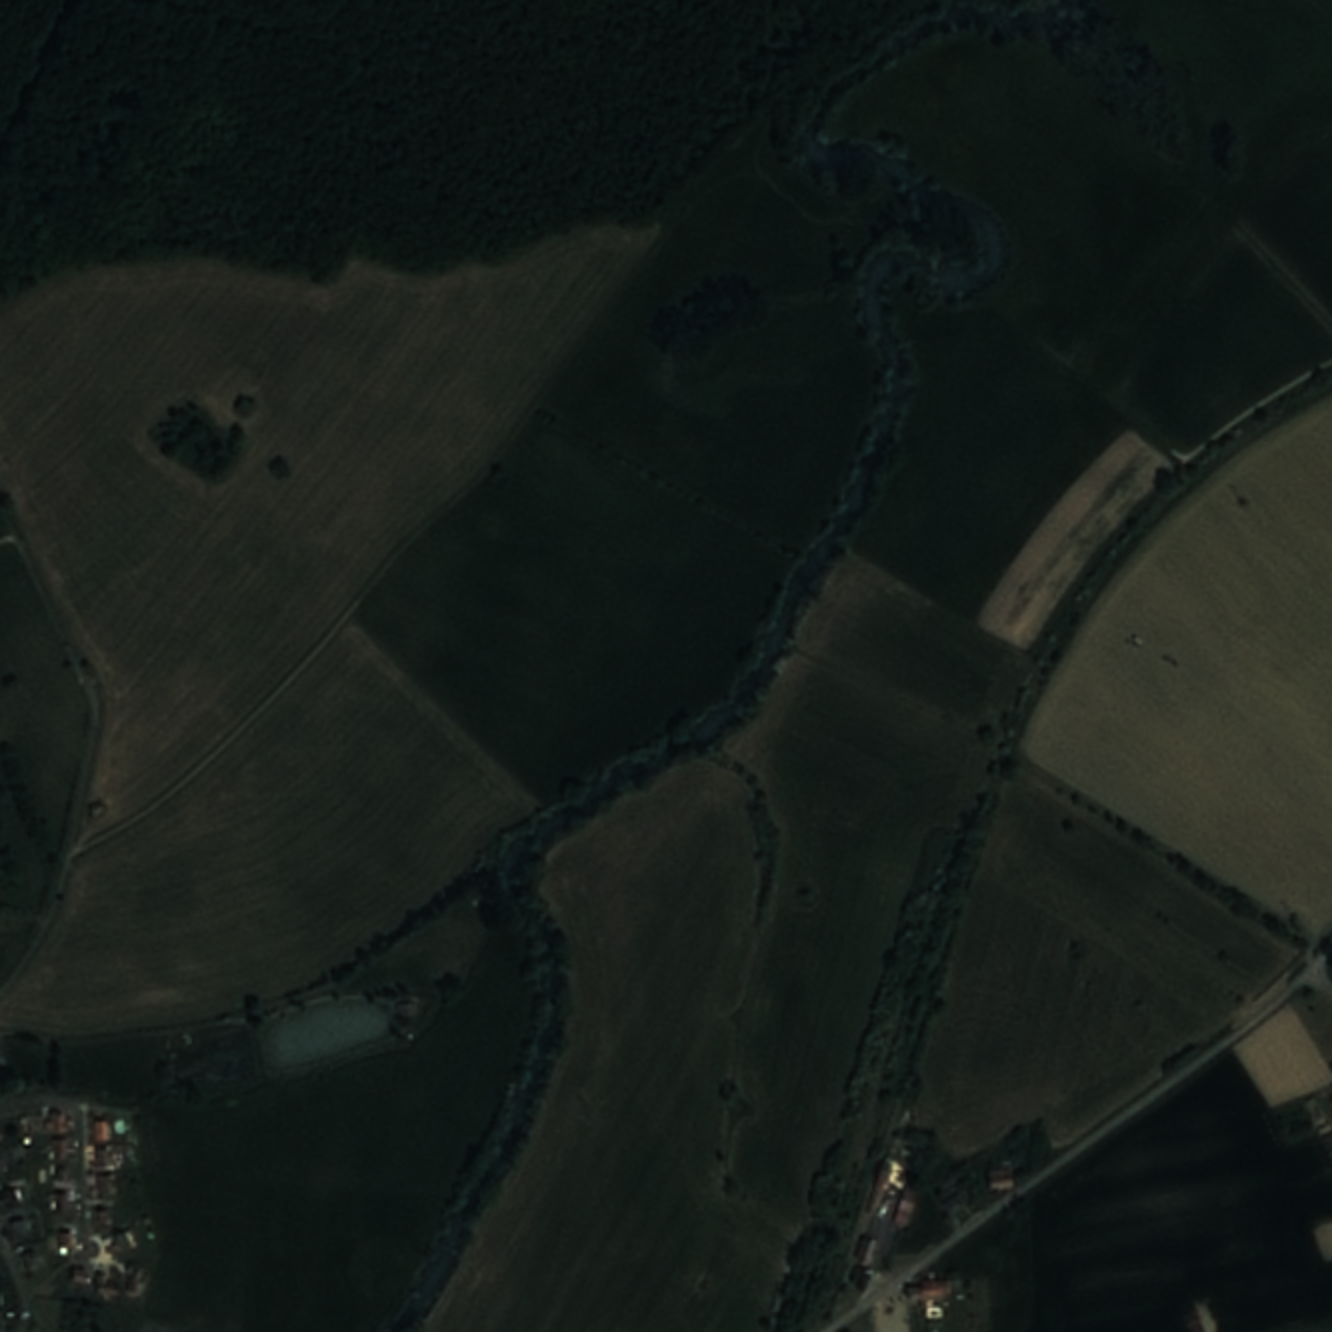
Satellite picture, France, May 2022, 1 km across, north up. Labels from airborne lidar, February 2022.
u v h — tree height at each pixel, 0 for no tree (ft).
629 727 0
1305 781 0
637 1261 0
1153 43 0
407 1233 0
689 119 66
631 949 0
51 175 77
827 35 59
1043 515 0
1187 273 0
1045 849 0
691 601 0
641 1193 0
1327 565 0
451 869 0
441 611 0
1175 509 0
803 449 0
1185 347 0
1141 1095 0
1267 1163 0
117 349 0
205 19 95
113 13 90
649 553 0
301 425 0
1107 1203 0
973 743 0
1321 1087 0
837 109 40
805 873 0
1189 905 0
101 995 0
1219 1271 0
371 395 0
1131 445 0
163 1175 0
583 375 0
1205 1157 0
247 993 0
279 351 0
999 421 0
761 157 0
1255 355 0
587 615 0
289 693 0
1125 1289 0
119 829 0
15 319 0
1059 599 0
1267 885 0
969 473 0
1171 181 0
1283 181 0
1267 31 0
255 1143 0
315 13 90
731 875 0
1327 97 0
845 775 0
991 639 0
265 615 0
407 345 0
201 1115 0
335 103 68
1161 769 0
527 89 68
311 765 0
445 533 0
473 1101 0
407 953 0
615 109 62
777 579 0
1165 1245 0
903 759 0
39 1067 0
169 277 0
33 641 0
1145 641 0
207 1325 0
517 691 0
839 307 0
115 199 73
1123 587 0
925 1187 40
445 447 0
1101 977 0
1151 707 0
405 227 62
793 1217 0
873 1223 0
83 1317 20
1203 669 0
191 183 65
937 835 0
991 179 0
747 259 0
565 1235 0
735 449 0
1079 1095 0
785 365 0
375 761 0
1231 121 0
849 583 0
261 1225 0
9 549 0
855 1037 0
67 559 0
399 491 0
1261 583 0
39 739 0
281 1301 0
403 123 67
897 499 0
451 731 0
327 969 0
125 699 0
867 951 0
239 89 82
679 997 0
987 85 0
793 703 0
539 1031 31
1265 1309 0
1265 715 0
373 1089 0
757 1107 0
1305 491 0
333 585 0
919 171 30
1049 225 0
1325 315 0
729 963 0
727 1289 0
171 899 0
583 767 0
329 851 0
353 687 0
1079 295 0
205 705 0
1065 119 0
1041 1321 0
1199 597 0
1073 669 0
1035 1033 0
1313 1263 0
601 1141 0
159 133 70
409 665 0
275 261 64
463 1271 0
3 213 82
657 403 0
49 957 0
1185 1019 0
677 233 0
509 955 0
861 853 0
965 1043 0
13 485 0
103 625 0
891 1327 0
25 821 22
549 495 0
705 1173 0
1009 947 0
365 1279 0
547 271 0
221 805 0
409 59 71
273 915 0
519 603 0
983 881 0
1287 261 0
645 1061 0
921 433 0
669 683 0
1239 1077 0
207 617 0
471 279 0
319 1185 0
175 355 0
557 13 73
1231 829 0
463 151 64
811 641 0
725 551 0
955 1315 0
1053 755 0
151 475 0
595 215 45
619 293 0
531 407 0
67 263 39
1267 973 0
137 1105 0
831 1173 17
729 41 75
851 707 0
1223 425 0
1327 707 0
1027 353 0
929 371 0
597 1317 0
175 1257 0
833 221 0
